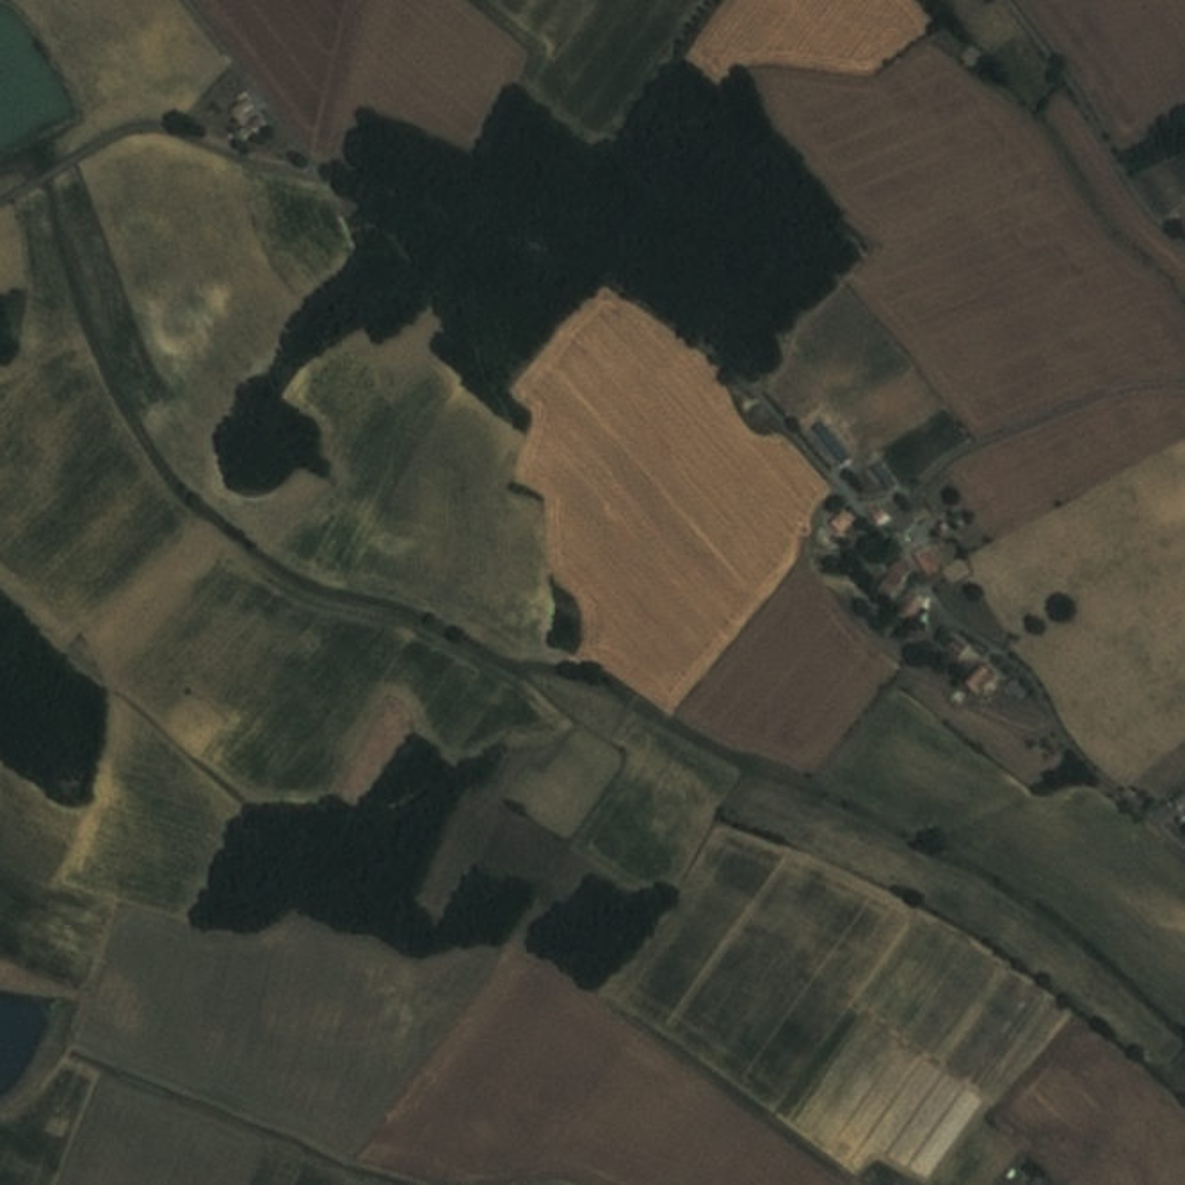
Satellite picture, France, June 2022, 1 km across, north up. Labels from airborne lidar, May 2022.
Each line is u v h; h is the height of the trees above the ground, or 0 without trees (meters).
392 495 0
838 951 0
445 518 0
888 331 0
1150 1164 0
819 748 0
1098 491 0
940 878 0
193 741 0
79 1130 0
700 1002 0
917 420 0
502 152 17
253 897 14
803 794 0
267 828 19
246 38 0
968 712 0
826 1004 0
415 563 0
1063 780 12
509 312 17
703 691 0
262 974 0
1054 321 0
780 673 0
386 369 0
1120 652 0
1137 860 0
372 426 0
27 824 0
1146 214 0
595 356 0
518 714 0
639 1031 0
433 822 16
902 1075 0
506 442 0
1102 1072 0
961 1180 0
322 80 0
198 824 0
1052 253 0
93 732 12
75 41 0
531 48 0
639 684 0
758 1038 0
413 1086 0
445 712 0
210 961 0
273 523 0
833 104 0
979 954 0
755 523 0
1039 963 0
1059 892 0
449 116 0
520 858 0
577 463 0
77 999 0
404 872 18
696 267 17
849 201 0
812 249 15
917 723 0
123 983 0
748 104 11
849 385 0
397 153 18
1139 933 0
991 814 0
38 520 0
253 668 0
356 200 13
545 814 0
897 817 0
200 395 0
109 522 0
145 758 0
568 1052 0
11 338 14
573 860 0
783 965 0
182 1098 0
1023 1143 0
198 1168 0
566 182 16
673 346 0
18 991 0
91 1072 0
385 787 14
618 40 0
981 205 0
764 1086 0
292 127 0
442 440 0
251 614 0
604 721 0
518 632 0
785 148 17
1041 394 0
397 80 0
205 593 0
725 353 12
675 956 0
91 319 0
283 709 0
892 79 0
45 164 0
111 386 0
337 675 0
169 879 0
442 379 0
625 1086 0
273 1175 0
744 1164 0
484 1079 0
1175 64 0
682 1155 0
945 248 0
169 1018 0
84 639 0
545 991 0
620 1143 0
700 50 0
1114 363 0
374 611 0
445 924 14
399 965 0
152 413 0
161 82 0
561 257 16
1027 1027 0
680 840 0
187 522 0
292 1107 0
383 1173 0
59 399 0
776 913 0
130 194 0
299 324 18
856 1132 0
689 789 0
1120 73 0
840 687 0
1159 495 0
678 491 0
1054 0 0
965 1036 0
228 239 0
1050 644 0
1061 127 0
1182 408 0
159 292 0
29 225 0
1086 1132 0
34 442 0
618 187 13
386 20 0
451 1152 0
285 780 0
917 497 0
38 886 0
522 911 13
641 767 0
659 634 0
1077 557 0
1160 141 12
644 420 0
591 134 0
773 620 0
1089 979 0
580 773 0
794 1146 0
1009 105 0
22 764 11
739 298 17
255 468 13
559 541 0
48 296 0
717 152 20
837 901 0
